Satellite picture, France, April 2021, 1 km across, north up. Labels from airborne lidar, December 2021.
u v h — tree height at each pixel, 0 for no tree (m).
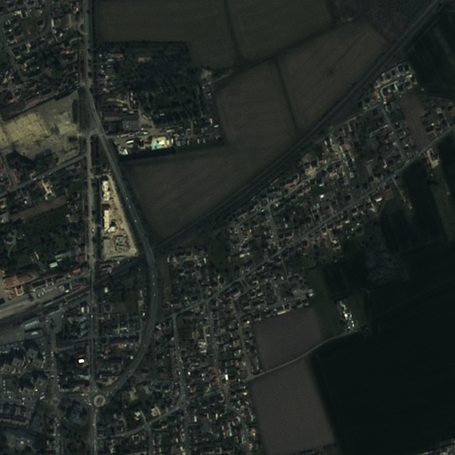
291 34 0
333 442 0
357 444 0
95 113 0
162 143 0
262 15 0
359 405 0
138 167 0
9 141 0
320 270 0
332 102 0
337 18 0
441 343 0
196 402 8
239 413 0
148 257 0
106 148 0
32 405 0
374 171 7
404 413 0
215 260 0
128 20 0
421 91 0
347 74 0
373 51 0
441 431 0
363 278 0
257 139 0
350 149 0
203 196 0
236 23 0
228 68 0
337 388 0
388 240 0
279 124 0
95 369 7
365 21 0
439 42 0
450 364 0
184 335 0
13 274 12
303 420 0
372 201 9
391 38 0
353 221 10
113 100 0
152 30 0
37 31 0
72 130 0
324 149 0
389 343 0
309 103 0
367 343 0
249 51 0
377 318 0
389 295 0
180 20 0
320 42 0
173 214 0
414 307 0
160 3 0
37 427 0
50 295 0
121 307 0
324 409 0
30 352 0
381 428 0
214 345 0
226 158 0
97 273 6
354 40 0
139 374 0
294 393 0
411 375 0
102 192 0
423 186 0
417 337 0
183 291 8
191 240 0
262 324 0
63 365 16
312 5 0
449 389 0
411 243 0
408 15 7
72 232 6
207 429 0
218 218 14
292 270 0
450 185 0
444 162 0
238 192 0
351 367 0
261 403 0
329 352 0
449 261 0
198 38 0
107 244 0
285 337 0
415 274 0
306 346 0
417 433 0
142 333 0
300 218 0
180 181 0
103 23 0
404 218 0
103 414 23
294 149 0
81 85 0
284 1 0
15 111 0
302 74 0
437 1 0
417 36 0
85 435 0
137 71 14
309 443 0
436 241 0
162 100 0
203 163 0
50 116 0
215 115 0
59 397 0
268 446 0
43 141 0
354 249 0
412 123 0
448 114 0
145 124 0
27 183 0
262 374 0
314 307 0
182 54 9
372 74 0
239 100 0
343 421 0
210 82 0
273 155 0
